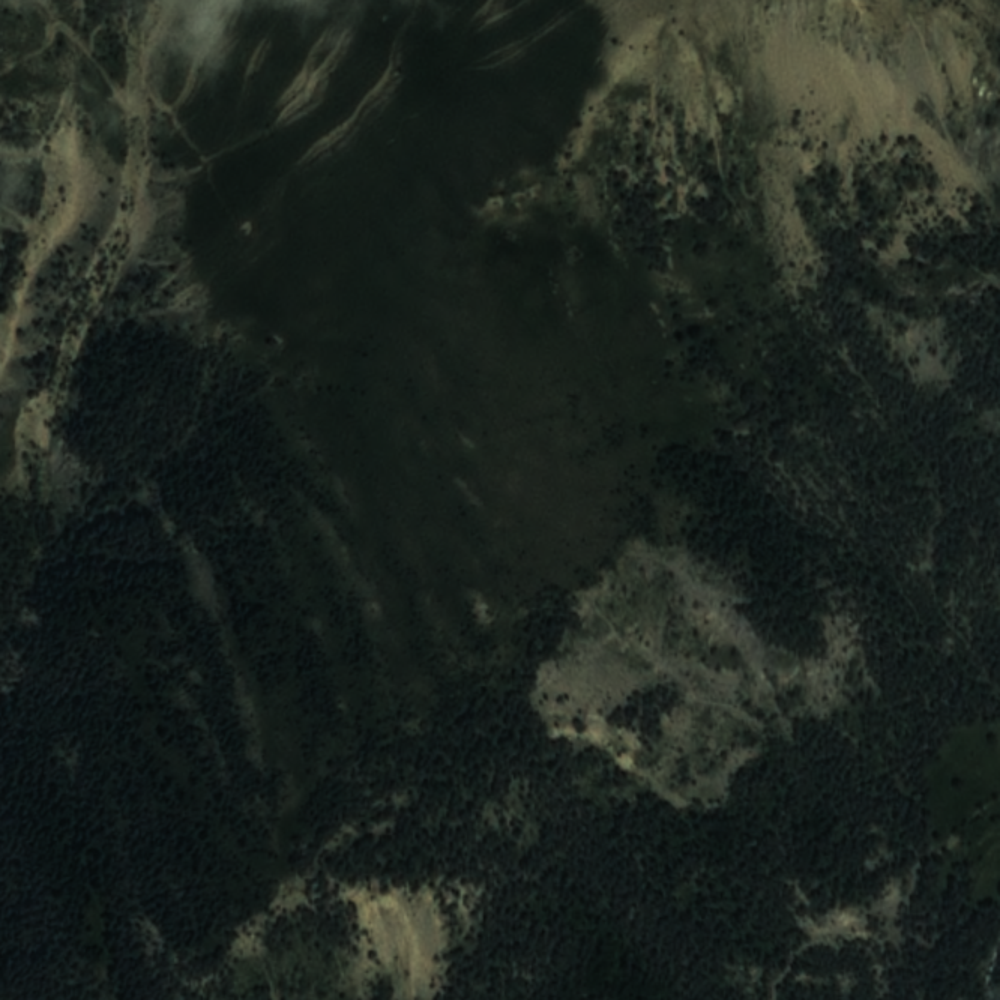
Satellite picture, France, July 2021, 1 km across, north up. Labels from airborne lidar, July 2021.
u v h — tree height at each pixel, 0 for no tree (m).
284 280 0
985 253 17
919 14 0
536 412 0
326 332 0
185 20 0
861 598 10
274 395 0
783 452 14
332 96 0
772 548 22
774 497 19
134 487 18
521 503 0
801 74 0
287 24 0
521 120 0
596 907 13
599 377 0
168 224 0
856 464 18
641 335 0
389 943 0
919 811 15
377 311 0
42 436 0
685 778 9
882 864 6
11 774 19
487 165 0
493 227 0
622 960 6
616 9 0
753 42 0
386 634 0
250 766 7
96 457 13
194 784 7
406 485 0
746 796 11
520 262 0
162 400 10
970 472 15
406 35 0
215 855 10
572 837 10
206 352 7
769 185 0
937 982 17
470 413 0
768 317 10
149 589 12
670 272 0
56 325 8
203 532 10
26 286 0
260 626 6
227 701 6
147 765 8
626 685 0
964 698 16
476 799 10
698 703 0
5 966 20
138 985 14
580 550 0
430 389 0
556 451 0
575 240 0
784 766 15
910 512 8
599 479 0
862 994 8
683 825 19
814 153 0
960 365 8
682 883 14
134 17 8
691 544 8
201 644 8
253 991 10
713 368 10
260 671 7
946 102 0
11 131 6
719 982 15
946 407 8
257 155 0
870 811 16
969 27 0
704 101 0
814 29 0
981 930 19
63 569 16
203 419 10
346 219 0
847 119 0
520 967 6
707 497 12
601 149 0
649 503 7
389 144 0
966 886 15
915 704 15
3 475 0
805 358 7
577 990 19
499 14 0
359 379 0
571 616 11
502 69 0
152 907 13
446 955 9
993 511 10
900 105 0
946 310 10
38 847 16
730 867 18
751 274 0
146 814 6
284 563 0
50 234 0
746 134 0
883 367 11
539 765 14
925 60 0
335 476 0
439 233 0
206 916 6
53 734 13
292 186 0
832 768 14
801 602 13
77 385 10
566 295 0
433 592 0
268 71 0
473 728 16
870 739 15
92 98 0
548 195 0
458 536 0
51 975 12
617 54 0
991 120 8
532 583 0
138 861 12
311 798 7
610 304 0
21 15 6
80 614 16
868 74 0
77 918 14
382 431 0
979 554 8
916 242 7
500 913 15
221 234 0
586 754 15
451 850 17
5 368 0
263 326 0
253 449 6
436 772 14
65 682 8
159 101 0
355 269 0
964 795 0
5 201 10
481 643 7
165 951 7
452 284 0
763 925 16
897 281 0
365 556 0
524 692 14
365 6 0
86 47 0
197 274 0
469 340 0
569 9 0
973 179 0
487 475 0
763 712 12
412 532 0
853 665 7
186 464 13
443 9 0
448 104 0
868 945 7
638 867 18
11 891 13
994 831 0
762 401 6
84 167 0
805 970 13
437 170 0
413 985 0
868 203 11
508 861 14
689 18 0
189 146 0
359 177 0
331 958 9
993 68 0
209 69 0
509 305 0
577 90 0
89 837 16
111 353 9
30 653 15
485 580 0
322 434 0
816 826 15
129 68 0
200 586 0
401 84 0
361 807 7
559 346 0
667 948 15
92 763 7
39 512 10
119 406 11
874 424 6
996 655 9
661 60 0
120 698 7
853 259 12
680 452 12
